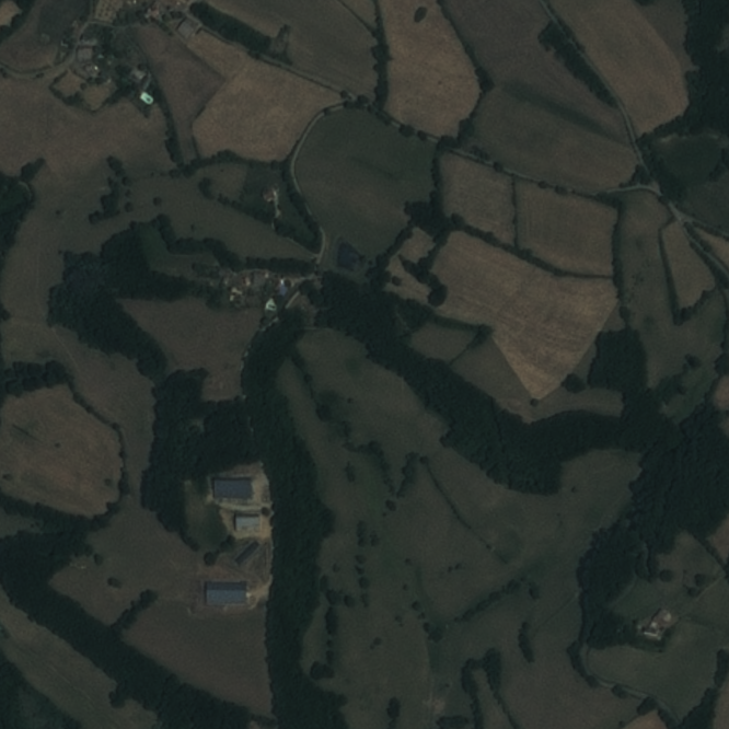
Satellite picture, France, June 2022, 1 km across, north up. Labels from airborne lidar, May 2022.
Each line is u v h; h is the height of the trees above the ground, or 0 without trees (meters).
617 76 0
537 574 0
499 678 10
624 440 19
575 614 0
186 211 0
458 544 0
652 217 0
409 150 0
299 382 0
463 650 0
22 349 0
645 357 15
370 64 0
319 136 0
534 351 0
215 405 11
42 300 0
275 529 12
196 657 0
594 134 0
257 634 0
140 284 11
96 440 0
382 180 0
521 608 0
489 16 0
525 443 15
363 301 14
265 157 0
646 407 17
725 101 13
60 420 0
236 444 6
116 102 7
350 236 0
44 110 0
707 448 18
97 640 16
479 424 17
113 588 14
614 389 16
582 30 0
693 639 0
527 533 0
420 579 0
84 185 0
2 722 14
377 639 6
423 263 14
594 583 20
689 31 7
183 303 0
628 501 0
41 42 0
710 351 0
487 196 0
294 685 19
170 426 14
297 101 0
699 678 0
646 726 0
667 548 14
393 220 0
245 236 0
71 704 0
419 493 0
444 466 0
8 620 0
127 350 15
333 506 0
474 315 0
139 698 16
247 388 14
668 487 17
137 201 0
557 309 0
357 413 0
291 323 13
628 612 0
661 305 0
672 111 0
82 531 15
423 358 14
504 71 0
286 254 0
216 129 0
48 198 0
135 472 0
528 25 0
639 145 10
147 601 11
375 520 0
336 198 0
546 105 0
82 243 0
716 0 13
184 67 0
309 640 0
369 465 0
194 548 11
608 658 0
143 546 0
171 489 21
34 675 0
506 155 0
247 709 11
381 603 0
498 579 0
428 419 0
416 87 0
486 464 14
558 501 0
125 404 0
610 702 0
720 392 0
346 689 0
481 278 0
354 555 0
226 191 0
